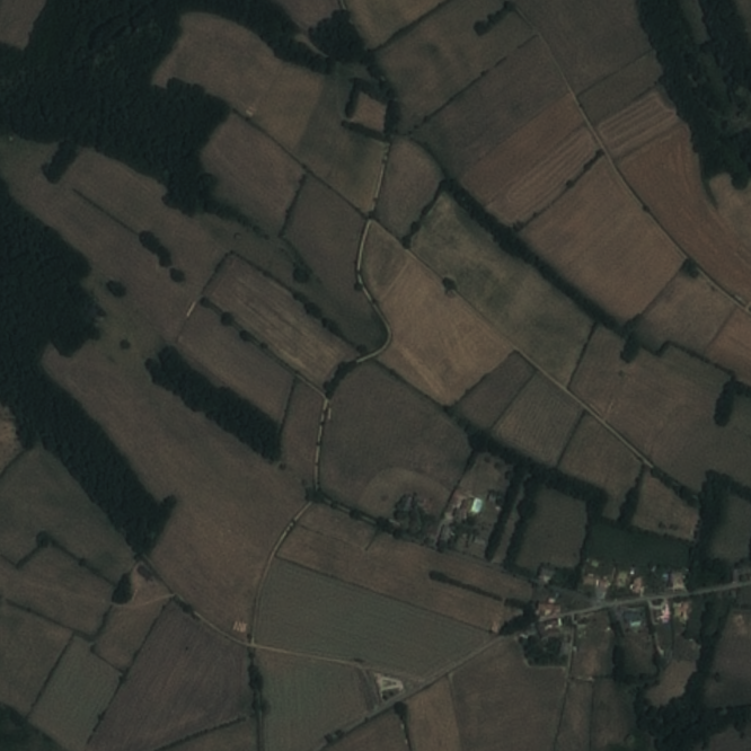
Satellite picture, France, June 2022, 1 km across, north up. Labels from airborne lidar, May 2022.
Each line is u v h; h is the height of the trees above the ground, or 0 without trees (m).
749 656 0
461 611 0
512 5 11
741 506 0
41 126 19
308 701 0
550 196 0
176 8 15
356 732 0
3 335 16
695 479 0
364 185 0
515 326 0
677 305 0
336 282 0
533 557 0
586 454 0
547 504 0
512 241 16
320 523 0
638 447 0
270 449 19
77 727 0
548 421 0
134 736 0
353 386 0
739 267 0
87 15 15
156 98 15
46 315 15
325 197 0
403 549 0
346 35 20
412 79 0
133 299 0
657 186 0
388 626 0
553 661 8
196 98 19
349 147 0
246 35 0
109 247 0
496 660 0
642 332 0
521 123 0
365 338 0
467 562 0
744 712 19
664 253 0
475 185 0
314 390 0
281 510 0
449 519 0
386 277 0
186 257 0
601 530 0
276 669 0
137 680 0
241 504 0
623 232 0
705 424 0
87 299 17
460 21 0
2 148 0
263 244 0
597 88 0
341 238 0
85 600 0
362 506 0
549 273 10
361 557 0
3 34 0
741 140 13
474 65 0
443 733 0
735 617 0
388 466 0
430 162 0
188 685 0
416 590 0
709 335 0
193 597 0
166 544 0
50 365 0
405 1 0
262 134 0
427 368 0
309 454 0
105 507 15
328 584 0
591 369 0
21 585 0
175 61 0
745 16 0
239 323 0
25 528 0
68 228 0
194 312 0
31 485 0
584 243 0
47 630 0
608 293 0
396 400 0
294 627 0
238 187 0
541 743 0
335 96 0
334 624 0
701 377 0
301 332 0
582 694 0
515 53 0
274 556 0
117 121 22
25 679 0
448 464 0
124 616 0
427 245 0
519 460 17
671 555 0
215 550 0
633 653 0
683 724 13
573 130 0
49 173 15
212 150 0
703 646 13
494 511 0
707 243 0
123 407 0
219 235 0
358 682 0
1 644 0
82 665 0
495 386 0
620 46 0
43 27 12
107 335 0
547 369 0
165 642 0
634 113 0
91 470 20
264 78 0
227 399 20
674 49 21
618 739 0
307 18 0
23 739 0
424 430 0
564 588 7
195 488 0
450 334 0
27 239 27
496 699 0
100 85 14
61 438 16
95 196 0
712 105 16
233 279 0
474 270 0
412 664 0
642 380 0
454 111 0
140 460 0
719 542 0
